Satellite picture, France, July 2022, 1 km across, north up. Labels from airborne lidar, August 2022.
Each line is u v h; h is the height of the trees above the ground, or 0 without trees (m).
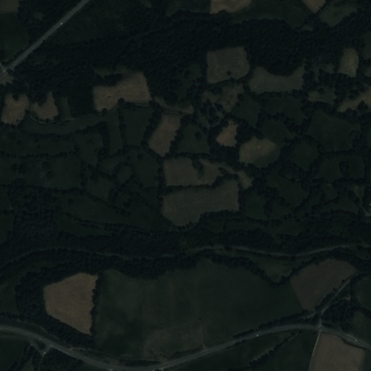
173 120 0
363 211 9
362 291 0
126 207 20
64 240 16
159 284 0
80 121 0
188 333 0
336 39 20
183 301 0
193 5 0
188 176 0
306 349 0
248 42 17
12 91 12
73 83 20
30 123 0
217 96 0
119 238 19
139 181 7
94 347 15
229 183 0
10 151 0
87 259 22
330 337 0
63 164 0
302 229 9
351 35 19
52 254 20
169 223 8
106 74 0
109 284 0
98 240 16
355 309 13
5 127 12
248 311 0
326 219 13
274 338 0
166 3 10
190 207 0
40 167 0
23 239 22
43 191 21
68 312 0
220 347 0
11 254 17
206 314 0
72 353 0
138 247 19
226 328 0
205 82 19
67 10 12
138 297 0
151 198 0
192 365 0
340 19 0
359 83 17
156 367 0
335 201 12
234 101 0
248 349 0
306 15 0
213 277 0
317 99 0
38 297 17
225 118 17
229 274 0
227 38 31
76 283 0
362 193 0
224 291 0
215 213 7
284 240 11
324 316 7
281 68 20
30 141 0
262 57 26
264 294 0
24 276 0
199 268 0
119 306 0
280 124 0
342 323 15
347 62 0
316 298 0
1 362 0
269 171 8
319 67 0
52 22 10
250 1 0
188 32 25
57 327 12
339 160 0
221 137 0
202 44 19
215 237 8
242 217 18
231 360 0
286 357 0
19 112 0
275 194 17
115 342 0
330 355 0
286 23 22
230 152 20
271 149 0
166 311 0
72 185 0
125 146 16
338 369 0
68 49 11
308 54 17
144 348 0
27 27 13
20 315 6
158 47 22
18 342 0
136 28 6
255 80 0
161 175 14
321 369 0
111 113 0
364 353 0
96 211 0
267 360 14
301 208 16
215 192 0
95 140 0
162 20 21
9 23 0
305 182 18
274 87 0
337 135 0
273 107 0
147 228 0
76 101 10
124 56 20
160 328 0
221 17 8
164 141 0
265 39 29
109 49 10
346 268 0
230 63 0
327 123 0
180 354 7
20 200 0
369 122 19
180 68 11
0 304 0
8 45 0
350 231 12
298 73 0
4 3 0
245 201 6
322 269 0
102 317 0
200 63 21
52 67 7
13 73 19
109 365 0
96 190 0
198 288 0
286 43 22
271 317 0
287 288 0
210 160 18
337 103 15
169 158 15
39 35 7
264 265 0
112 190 8
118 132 0
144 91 0
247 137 23
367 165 19
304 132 11
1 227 0
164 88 21
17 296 9
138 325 0
